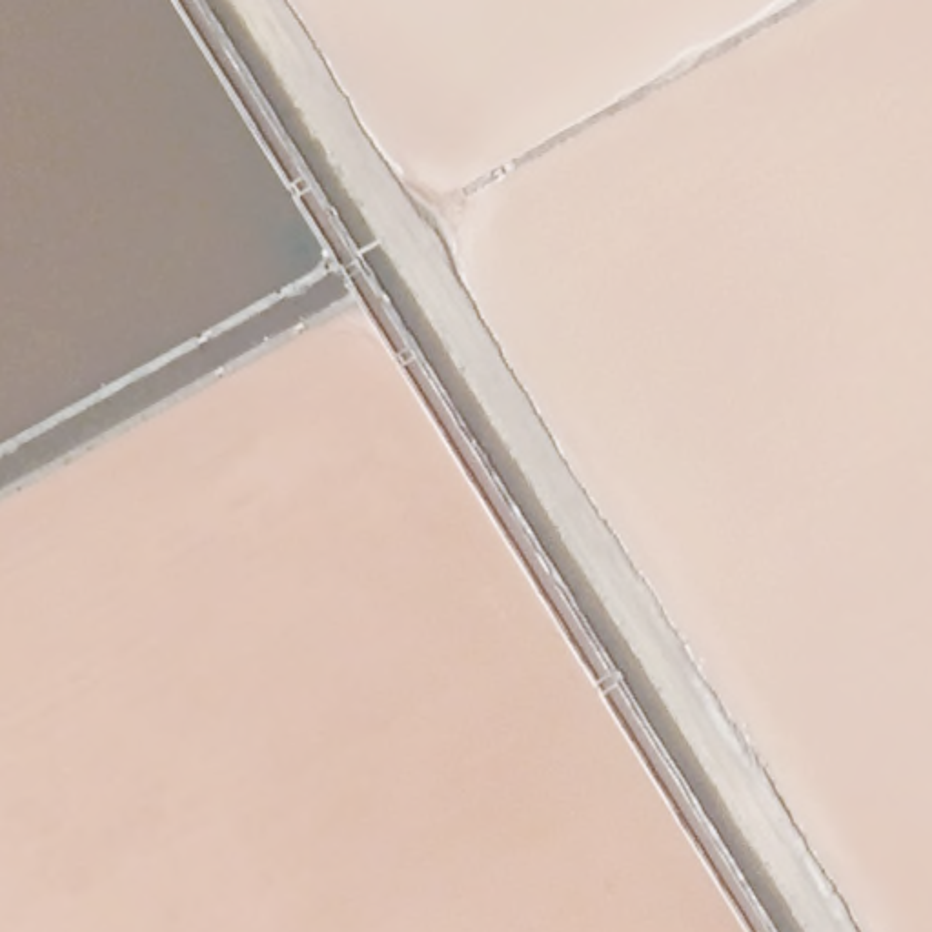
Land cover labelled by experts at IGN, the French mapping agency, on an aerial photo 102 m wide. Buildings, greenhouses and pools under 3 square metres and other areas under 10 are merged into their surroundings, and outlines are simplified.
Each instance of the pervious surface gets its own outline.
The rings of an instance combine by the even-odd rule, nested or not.
[[[714,870],[721,892],[732,899],[746,932],[775,932],[772,917],[746,885],[721,834],[706,819],[699,797],[688,790],[666,746],[637,710],[619,670],[583,623],[557,568],[535,542],[524,513],[506,499],[499,477],[488,470],[481,448],[455,415],[433,368],[422,360],[419,346],[404,331],[397,309],[390,306],[390,295],[368,269],[364,255],[379,248],[390,255],[400,280],[411,288],[422,317],[444,342],[451,364],[466,379],[470,393],[477,397],[484,419],[506,444],[510,459],[521,466],[524,481],[532,484],[561,542],[590,579],[615,630],[626,637],[630,652],[644,666],[652,688],[677,721],[706,779],[721,794],[728,816],[765,863],[801,932],[866,932],[841,885],[826,885],[830,870],[816,856],[812,837],[805,834],[779,779],[772,775],[772,765],[765,765],[765,754],[757,746],[750,746],[746,728],[728,714],[717,684],[706,681],[706,670],[688,655],[688,644],[674,626],[670,612],[655,604],[655,593],[648,593],[652,583],[633,579],[641,575],[641,568],[633,564],[633,553],[623,546],[615,524],[604,517],[604,510],[597,510],[590,488],[564,459],[564,441],[553,437],[524,379],[510,364],[495,328],[488,324],[470,284],[462,280],[459,258],[448,240],[448,233],[459,222],[470,222],[477,233],[488,233],[495,208],[506,197],[506,182],[513,178],[513,164],[528,167],[550,157],[553,149],[583,138],[586,131],[608,124],[612,117],[648,102],[648,95],[663,91],[659,80],[688,69],[706,51],[714,58],[732,55],[739,44],[761,33],[757,22],[797,0],[765,0],[754,11],[688,40],[659,62],[626,69],[619,84],[608,87],[615,98],[612,106],[524,149],[517,160],[488,167],[484,160],[473,160],[462,171],[441,171],[415,157],[397,157],[397,149],[368,117],[364,102],[353,102],[342,87],[331,58],[324,58],[324,47],[317,44],[309,22],[299,15],[295,0],[229,0],[258,51],[269,58],[302,124],[320,142],[342,189],[353,197],[364,222],[371,226],[371,240],[353,244],[353,237],[339,222],[335,208],[313,182],[313,175],[306,171],[306,160],[284,135],[277,113],[269,109],[255,76],[240,62],[237,47],[229,44],[226,29],[204,0],[167,0],[171,15],[178,18],[182,33],[215,76],[229,109],[244,124],[269,175],[291,197],[295,215],[302,218],[320,251],[317,266],[288,280],[284,288],[240,306],[237,313],[208,324],[204,331],[182,339],[178,346],[149,357],[146,364],[102,382],[98,390],[51,411],[47,419],[0,441],[0,459],[58,430],[62,422],[84,415],[87,408],[117,397],[120,390],[157,375],[160,368],[182,360],[211,339],[248,324],[277,302],[302,295],[324,277],[339,277],[342,291],[360,299],[371,324],[400,360],[419,400],[433,415],[437,430],[444,433],[459,466],[491,510],[495,524],[521,557],[524,572],[550,604],[583,666],[604,692],[615,721],[623,724],[644,768],[659,783],[677,823]]]

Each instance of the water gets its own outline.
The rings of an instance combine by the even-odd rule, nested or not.
[[[826,885],[841,885],[866,932],[932,932],[932,0],[797,0],[757,22],[761,33],[739,44],[732,55],[714,58],[706,51],[688,69],[659,80],[663,91],[648,95],[648,102],[612,117],[608,124],[586,131],[583,138],[553,149],[550,157],[528,167],[513,164],[513,178],[506,182],[506,197],[495,208],[488,233],[477,233],[470,222],[459,222],[448,233],[448,240],[459,258],[462,280],[470,284],[488,324],[495,328],[510,364],[524,379],[553,437],[564,441],[564,459],[590,488],[597,510],[604,510],[604,517],[615,524],[623,546],[633,553],[633,564],[641,568],[641,575],[633,579],[652,583],[648,593],[655,593],[655,604],[670,612],[674,626],[688,644],[688,655],[706,670],[706,681],[717,684],[728,714],[746,728],[750,746],[757,746],[765,754],[765,765],[772,765],[772,775],[779,779],[805,834],[812,837],[816,856],[830,870]]]
[[[521,466],[510,459],[506,444],[484,419],[477,397],[470,393],[466,379],[451,364],[444,342],[422,317],[411,288],[400,280],[390,255],[379,248],[364,255],[368,269],[390,295],[390,306],[397,309],[404,331],[419,346],[422,360],[433,368],[455,415],[481,448],[488,470],[499,477],[506,499],[524,513],[535,542],[557,568],[583,623],[619,670],[637,710],[666,746],[688,790],[699,797],[706,819],[721,834],[746,885],[772,917],[775,932],[801,932],[765,863],[728,816],[721,794],[706,779],[677,721],[652,688],[644,666],[630,652],[626,637],[615,630],[590,579],[561,542],[532,484],[524,481]]]
[[[754,11],[765,0],[295,0],[299,15],[309,22],[317,44],[324,47],[324,58],[331,58],[342,87],[353,102],[364,102],[368,117],[397,149],[397,157],[415,157],[441,171],[462,171],[473,160],[484,160],[488,167],[517,160],[524,149],[612,106],[615,98],[608,87],[619,84],[626,69],[659,62],[688,40]]]
[[[255,76],[269,109],[277,113],[284,135],[306,160],[306,171],[313,175],[313,182],[335,208],[339,222],[353,237],[353,244],[371,240],[371,226],[364,222],[353,197],[342,189],[320,142],[302,124],[269,58],[258,51],[229,0],[204,0],[226,29],[229,44],[237,47],[240,62]]]
[[[732,899],[721,892],[714,870],[677,823],[659,783],[644,768],[623,724],[615,721],[604,692],[583,666],[550,604],[524,572],[521,557],[495,524],[491,510],[459,466],[444,433],[437,430],[433,415],[419,400],[400,360],[371,324],[360,299],[342,291],[339,277],[324,277],[302,295],[277,302],[248,324],[211,339],[182,360],[160,368],[157,375],[120,390],[117,397],[87,408],[84,415],[62,422],[58,430],[0,459],[0,932],[746,932]]]
[[[149,357],[178,346],[182,339],[204,331],[208,324],[237,313],[240,306],[284,288],[288,280],[317,266],[320,251],[302,218],[295,215],[291,197],[269,175],[244,124],[229,109],[215,76],[182,33],[178,18],[171,15],[167,0],[0,0],[0,441],[47,419],[51,411],[98,390],[102,382],[146,364]]]

